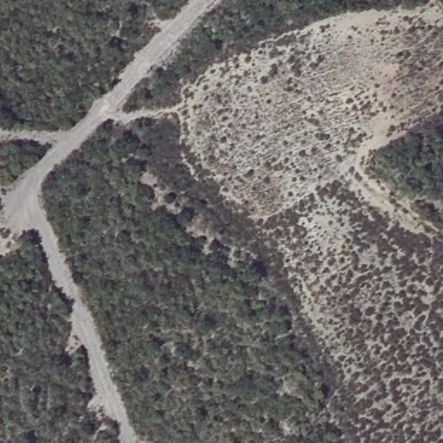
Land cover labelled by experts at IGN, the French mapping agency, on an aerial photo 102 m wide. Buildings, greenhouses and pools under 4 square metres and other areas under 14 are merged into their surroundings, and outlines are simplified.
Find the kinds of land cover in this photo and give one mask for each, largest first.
<instances>
[{"label":"brushwood","instance_id":"1","mask_svg":"<svg viewBox=\"0 0 443 443\"><path fill-rule=\"evenodd\" d=\"M189 0H0V128L38 132L71 130L81 119H85L93 100L102 99L118 85L119 74L133 62L138 50L147 47L152 36L159 33V28L154 26V19H173ZM429 0H221L215 9L208 10L204 16L199 17L197 26L190 29L185 38L180 40V47L173 62H161L151 76L138 81L123 106V111L132 112L137 109L175 106L180 102V78H187L190 83H196L197 76L206 73L211 64L228 61L230 55L251 52L256 48V43L270 35L303 29L311 22L344 12L391 10L396 7L415 9L419 5H426ZM180 121L171 123L170 119L163 118L135 119L128 125L112 119L100 123L97 130L78 149H74L61 164H55L54 170L48 173L47 178L43 180L42 202L48 223L57 235L59 251L66 258L74 284L80 287L81 303L87 306L93 324L97 327L102 350L106 351V360L111 369V379L118 386L121 400L125 403L128 421L138 438L149 443H443V106L440 114L427 119L424 125L415 126L405 137L396 138L381 149L370 151L369 166L365 170L377 183H389L391 204L403 197L410 199L415 211L419 213L414 220L419 221V225L424 228L422 234H412L401 227L389 230L388 213L379 211L370 202L356 197L355 192L350 190V182H346L343 177L337 182L327 183L325 187H317V190L320 197H334L337 201L348 204V209H339L337 215L350 216L351 232L344 235L341 254L351 256L353 266L350 272L346 273L344 282L339 273H334L325 280L324 286H313L315 292L311 296L315 298V303L320 306L322 313L325 311L337 317V320H329V325L334 327L337 337H344V346H351V353H356V358L339 356L336 360L332 356V351L337 350L336 344L327 346L322 337L315 336L311 320L301 310V301L294 289L289 286L287 279L289 272H298L305 279H308V275L303 268L284 266V253L279 251L280 244H286L292 249V256L298 258L301 253L296 249L308 244V230L299 225L298 220L308 218V221H311L310 213L317 208L311 194L280 215L270 216L268 220H251L249 216L253 215L254 208L249 201L235 204L234 201H227L225 197L220 196L216 180H206L209 171L202 168L199 157L190 151L189 145L178 144ZM370 246H377L379 258H386L388 253H391V261L398 270V279L410 275L412 280L422 282L417 291V298H407V292L415 291L414 286L408 287L407 291L386 292L384 303L377 313V325L372 324L367 318L360 317L362 311L355 306V298L365 286V280L381 275V270L382 273L391 272L389 266L376 268L374 265L358 263L363 251ZM52 149V145L21 138L0 140V209H3L2 201L7 192L16 189V182L22 177V173L33 168ZM73 299L67 298L61 287H57L55 280L52 279L40 234L36 230H24L21 235H17L9 228H0V443H121L119 422L111 419L109 415L104 419H97L95 412L88 408V401L95 395V388L90 376L87 348L80 346L76 353L67 355Z\"/></svg>","mask_w":443,"mask_h":443},{"label":"vineyard","instance_id":"2","mask_svg":"<svg viewBox=\"0 0 443 443\"><path fill-rule=\"evenodd\" d=\"M180 102L175 106L137 109L132 112L135 119L163 118L170 119L171 123L180 121L178 144L189 145L190 151L199 157L202 168L209 171L206 180H216L220 196L225 197L227 201H234L235 204L249 201L254 208L253 215L249 216L251 220H268L270 216L280 215L311 194L317 190V187H325L327 183L337 182L343 177L344 171L350 170L351 166L358 173L365 170L369 166L370 151L381 149L396 138L405 137L415 126L424 125L427 119L440 114L443 106V0H429L426 5H419L415 9L396 7L391 10L344 12L311 22L303 29L270 35L256 43V48L251 52L230 55L228 61L211 64L206 73L197 76L196 83H190L187 78H180Z\"/></svg>","mask_w":443,"mask_h":443},{"label":"pervious surface","instance_id":"3","mask_svg":"<svg viewBox=\"0 0 443 443\"><path fill-rule=\"evenodd\" d=\"M221 0H189L173 19H154V26L159 28V33L152 36L147 47L138 50L133 62L119 74L118 85L102 99L93 100L85 119H81L71 130L38 132L0 128V140L21 138L52 145V149L33 168L22 173V177L16 182V189L7 192L2 201L3 209H0V228H9L17 235H21L24 230H36L40 234L52 279L55 280L57 287H61L67 298L73 299L67 355L76 353L80 346L87 348L90 376L95 388V395L88 401V408L95 412L97 419H104L109 415L111 419L119 422L121 443H149L138 438L128 421L125 403L121 400L118 386L111 379V369L106 360V351L102 350L97 327L93 324L87 306L81 303L80 287L74 284L66 258L59 251L57 235L48 223L42 202L43 180L47 178L48 173L54 170L55 164H61L74 149H78L97 130L100 123L112 119L128 125L135 119L132 112L123 111V106L138 81L151 76L161 62H173L180 47V40L185 38L190 29L197 26L199 17L204 16L208 10L215 9Z\"/></svg>","mask_w":443,"mask_h":443},{"label":"bare soil","instance_id":"4","mask_svg":"<svg viewBox=\"0 0 443 443\"><path fill-rule=\"evenodd\" d=\"M346 182H350V190L355 192L356 197L370 202L379 211L388 213L389 230L401 227L412 234H422L424 228L419 225V221L414 220L419 213L415 211L410 199L403 197L391 204L389 183H377L365 170L358 173L351 166L350 170L344 171L343 177ZM311 194L317 208L310 213L311 221H308V218L298 220L299 225L308 230V244L296 249L301 253L298 258L292 256V249L286 244H280L279 251L284 253V266L303 268L308 275V279H305L298 272H289L287 279L289 286L294 289L301 301V310L311 320L315 336L322 337L327 346L336 344L337 350L332 351V356L336 360L339 356L356 358V353H351V346H344V337H337L334 327L329 325V320H337V317L325 311L322 313L320 306L315 303V298L311 296L315 292L313 286H324L325 280L334 273H339L344 282L346 273L350 272L353 266L351 256L341 254L344 235L351 232L350 216L337 215L339 209H348V204L337 201L334 197H320L317 190ZM358 263L374 265L376 268L389 266L391 272L382 273L381 270V275L365 280V286L355 298V306L362 311L360 317L367 318L372 324L377 325V313L384 303L386 292L407 291L408 287L414 286L415 291L407 292V298H417V291L422 282L412 280L410 275L398 279V270L391 261V253H388L386 258H379L377 246H370L363 251Z\"/></svg>","mask_w":443,"mask_h":443}]
</instances>
